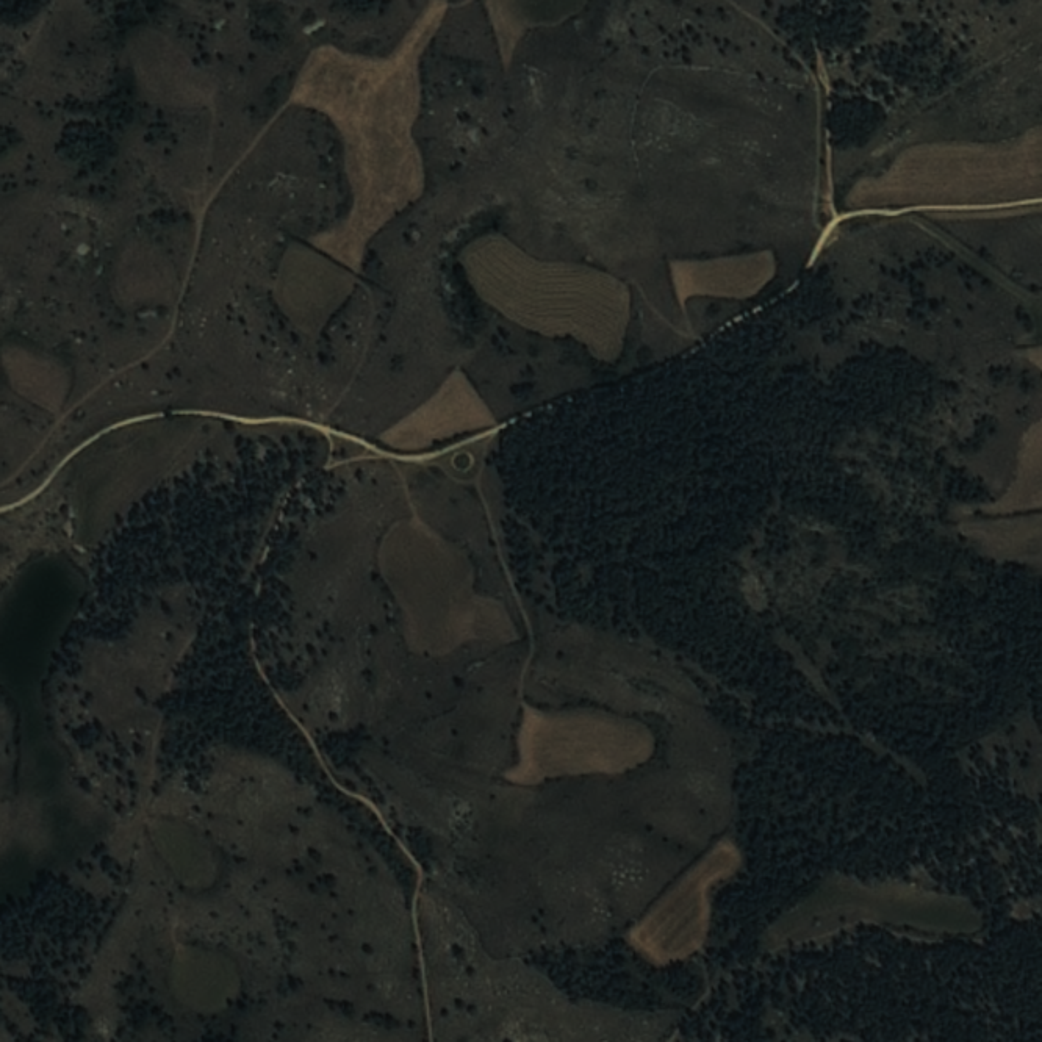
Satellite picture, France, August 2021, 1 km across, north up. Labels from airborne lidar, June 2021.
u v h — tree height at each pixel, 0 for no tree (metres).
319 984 0
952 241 0
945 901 0
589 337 0
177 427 0
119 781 8
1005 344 0
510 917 0
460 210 0
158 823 0
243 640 15
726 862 0
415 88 0
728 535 14
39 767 0
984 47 0
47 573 0
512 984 0
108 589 10
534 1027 0
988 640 9
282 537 13
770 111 0
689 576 17
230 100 0
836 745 11
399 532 0
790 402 14
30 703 0
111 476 0
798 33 8
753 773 10
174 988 0
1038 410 0
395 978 0
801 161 0
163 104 0
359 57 0
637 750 0
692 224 0
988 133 0
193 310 0
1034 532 0
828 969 14
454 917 0
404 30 0
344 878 0
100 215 0
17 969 0
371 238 0
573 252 0
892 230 0
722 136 0
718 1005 9
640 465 10
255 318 0
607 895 0
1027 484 0
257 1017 0
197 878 0
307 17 6
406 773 0
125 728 0
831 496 9
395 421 0
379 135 0
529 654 0
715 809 0
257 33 7
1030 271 0
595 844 0
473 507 0
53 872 0
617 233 0
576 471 15
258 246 0
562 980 8
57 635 0
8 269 0
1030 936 16
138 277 0
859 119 13
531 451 15
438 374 0
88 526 0
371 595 0
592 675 0
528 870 0
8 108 0
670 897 0
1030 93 0
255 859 0
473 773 0
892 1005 15
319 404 0
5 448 0
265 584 8
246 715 10
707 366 12
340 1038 0
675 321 0
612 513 9
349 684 0
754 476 13
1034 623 10
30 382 0
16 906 17
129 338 0
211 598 10
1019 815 10
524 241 0
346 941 0
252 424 0
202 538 10
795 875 17
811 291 9
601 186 0
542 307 0
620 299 0
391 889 0
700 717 0
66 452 0
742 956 14
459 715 0
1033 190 0
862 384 12
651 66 0
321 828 0
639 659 0
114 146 11
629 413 16
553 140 0
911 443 6
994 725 6
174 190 0
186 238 0
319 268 0
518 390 12
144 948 0
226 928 0
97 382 0
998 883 11
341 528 0
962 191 0
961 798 13
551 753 0
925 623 9
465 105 0
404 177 0
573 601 12
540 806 0
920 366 12
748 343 11
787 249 0
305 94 0
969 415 0
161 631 0
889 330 0
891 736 12
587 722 0
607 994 10
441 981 0
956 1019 13
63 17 0
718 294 0
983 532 0
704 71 0
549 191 0
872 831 11
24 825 0
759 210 0
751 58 0
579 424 11
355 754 11
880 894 0
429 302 0
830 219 0
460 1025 0
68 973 9
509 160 0
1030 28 0
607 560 14
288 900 0
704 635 16
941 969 13
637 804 0
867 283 0
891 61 12
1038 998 14
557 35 0
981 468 0
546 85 0
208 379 0
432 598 0
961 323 7
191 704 17
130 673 0
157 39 0
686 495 8
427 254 0
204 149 0
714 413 11
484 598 0
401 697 0
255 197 0
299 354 0
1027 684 11
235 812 0
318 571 0
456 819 0
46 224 0
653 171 0
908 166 0
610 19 0
